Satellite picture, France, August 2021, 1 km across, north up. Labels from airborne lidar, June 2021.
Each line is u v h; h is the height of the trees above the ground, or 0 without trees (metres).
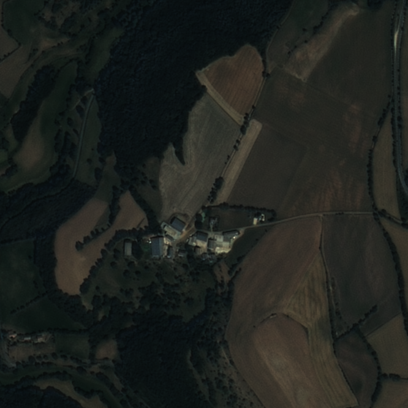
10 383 0
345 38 0
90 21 19
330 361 0
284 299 0
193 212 0
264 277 0
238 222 0
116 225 0
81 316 8
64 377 14
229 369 0
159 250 0
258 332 0
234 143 0
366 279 0
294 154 0
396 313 0
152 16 17
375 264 0
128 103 14
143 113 23
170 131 19
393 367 0
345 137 0
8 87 0
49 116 0
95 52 0
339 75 0
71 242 0
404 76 0
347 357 0
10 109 0
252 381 0
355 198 0
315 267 0
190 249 14
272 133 0
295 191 0
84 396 13
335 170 0
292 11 0
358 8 0
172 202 0
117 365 10
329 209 0
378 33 0
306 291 0
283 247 0
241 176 0
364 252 0
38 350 0
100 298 14
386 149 0
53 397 21
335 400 0
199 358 14
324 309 0
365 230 0
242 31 23
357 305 0
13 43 0
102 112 16
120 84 19
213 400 12
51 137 0
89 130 0
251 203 0
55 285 13
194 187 0
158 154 17
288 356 0
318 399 0
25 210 9
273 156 0
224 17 27
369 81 0
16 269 0
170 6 15
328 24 0
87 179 0
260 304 0
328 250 0
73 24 12
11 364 0
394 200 0
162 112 18
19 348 0
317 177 0
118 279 0
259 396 0
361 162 0
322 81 0
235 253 0
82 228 0
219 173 0
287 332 0
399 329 0
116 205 15
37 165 0
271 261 0
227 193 0
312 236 0
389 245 13
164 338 26
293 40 0
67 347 0
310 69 0
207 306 15
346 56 0
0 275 0
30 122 9
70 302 14
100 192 0
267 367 0
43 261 18
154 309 21
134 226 0
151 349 19
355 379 0
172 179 0
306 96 0
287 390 0
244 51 0
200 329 16
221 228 0
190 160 0
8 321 0
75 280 0
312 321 0
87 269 0
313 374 0
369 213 0
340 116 0
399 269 12
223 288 14
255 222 0
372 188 8
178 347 18
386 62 0
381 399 0
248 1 25
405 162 0
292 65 0
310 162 0
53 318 0
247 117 10
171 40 21
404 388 0
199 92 14
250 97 0
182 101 19
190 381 16
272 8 18
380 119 7
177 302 15
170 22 20
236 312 0
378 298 0
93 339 11
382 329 0
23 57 0
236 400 9
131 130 26
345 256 0
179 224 0
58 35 0
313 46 0
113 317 22
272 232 0
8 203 22
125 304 13
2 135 20
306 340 0
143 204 18
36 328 0
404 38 0
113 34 0
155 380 17
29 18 0
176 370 18
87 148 0
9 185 0
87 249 0
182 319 9
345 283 0
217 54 17
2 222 22
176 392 19
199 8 24
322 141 0
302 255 0
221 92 0
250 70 0
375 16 0
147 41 17
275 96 0
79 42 0
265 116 0
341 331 0
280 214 0
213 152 0
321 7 0
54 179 16
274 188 0
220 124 0
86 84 20
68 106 7
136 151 22
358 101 0
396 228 0
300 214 0
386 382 0
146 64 19
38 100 27
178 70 23
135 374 18
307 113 0
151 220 17
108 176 0
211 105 0
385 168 0
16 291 0
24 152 0
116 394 20
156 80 24
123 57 19
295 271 0
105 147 18
